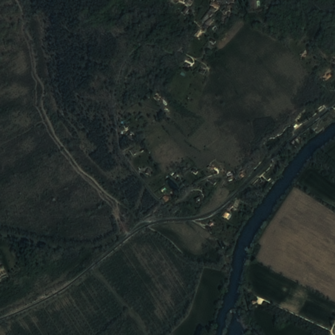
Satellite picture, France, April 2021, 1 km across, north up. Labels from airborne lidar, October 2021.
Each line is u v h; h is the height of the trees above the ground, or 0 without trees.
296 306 0
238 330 0
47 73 0
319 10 17
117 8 6
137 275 8
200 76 0
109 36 23
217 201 0
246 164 18
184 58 17
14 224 7
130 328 11
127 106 15
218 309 6
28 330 7
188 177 0
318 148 13
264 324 0
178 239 0
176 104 12
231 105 0
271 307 11
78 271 7
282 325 20
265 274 0
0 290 13
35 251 22
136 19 19
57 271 10
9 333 12
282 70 0
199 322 0
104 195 15
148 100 16
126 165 16
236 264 0
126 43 20
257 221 0
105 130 14
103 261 12
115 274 10
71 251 23
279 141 19
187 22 7
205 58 16
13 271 12
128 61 23
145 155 0
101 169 18
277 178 10
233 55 0
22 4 12
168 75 16
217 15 6
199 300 0
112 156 18
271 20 26
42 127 5
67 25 17
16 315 6
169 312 7
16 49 6
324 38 27
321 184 0
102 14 14
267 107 0
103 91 14
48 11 21
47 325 12
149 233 17
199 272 16
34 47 13
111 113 14
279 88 0
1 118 7
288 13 30
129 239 10
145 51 25
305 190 14
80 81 15
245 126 0
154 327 7
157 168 14
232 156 0
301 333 0
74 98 16
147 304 8
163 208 15
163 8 13
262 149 16
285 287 0
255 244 16
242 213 14
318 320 0
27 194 7
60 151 12
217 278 0
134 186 15
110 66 18
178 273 6
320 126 0
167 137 0
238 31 0
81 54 19
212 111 0
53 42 11
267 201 0
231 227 14
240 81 0
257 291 0
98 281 11
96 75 21
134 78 14
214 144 0
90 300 8
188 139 0
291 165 0
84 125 14
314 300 0
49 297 0
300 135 10
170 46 18
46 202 8
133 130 11
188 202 9
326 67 23
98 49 20
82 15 26
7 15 17
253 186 6
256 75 0
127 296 10
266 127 11
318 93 15
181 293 9
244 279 22
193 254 0
